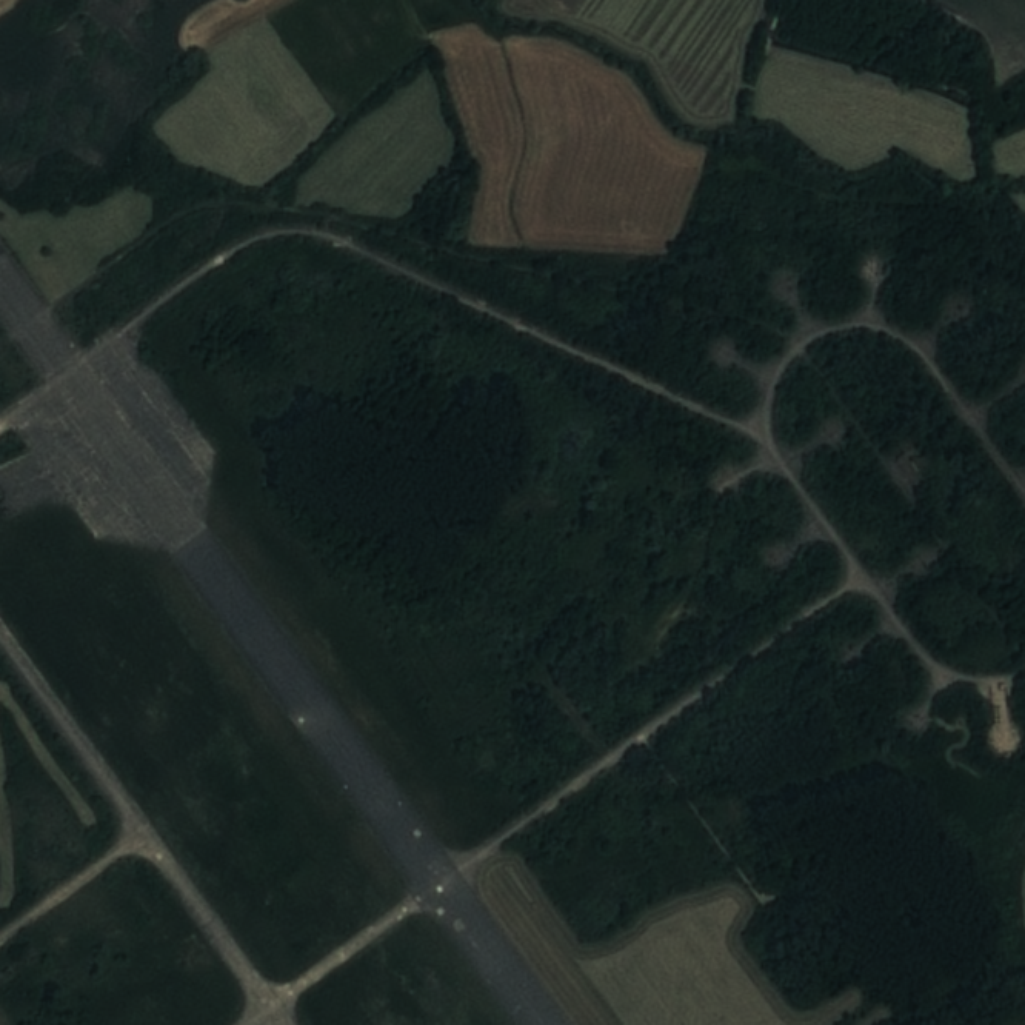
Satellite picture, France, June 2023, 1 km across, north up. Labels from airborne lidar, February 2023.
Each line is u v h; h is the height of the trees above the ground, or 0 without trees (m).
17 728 0
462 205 13
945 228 10
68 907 0
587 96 0
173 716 0
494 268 12
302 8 0
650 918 0
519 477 32
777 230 7
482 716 0
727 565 8
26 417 0
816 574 17
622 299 16
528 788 10
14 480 0
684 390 6
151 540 0
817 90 0
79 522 0
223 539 0
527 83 0
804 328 0
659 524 17
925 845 37
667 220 0
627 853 0
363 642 0
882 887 38
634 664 0
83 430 0
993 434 6
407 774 0
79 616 0
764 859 6
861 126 0
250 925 0
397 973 0
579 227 0
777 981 23
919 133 0
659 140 0
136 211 0
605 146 0
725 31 0
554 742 20
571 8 0
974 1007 37
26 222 0
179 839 0
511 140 0
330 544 8
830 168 7
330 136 7
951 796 0
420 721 0
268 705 0
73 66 6
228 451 0
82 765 0
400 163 0
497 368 6
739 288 6
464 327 8
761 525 7
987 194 8
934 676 0
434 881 0
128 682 0
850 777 0
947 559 11
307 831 0
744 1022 0
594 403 22
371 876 0
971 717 7
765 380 0
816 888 32
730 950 0
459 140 6
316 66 0
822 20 26
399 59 0
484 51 0
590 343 6
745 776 31
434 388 20
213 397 0
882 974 34
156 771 0
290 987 0
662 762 11
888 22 8
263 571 0
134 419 0
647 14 0
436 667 0
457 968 0
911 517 10
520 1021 0
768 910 6
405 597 7
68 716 0
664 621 0
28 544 0
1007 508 8
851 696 14
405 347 6
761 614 15
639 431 20
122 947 0
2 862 0
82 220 0
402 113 0
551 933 0
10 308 0
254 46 0
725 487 0
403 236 10
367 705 0
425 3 0
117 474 0
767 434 0
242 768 0
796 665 14
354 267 6
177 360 0
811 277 9
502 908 0
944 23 23
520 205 0
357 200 0
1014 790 0
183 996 0
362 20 0
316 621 0
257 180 0
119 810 0
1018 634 13
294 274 6
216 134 0
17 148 7
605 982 0
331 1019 0
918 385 32
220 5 0
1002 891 0
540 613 6
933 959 42
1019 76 0
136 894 0
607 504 6
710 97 0
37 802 0
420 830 0
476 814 0
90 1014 0
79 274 0
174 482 0
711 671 11
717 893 0
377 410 21
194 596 0
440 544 36
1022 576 6
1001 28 0
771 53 0
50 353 0
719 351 0
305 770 0
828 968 14
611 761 0
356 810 0
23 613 0
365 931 0
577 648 21
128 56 6
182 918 0
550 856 11
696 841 0
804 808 35
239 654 0
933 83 16
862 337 13
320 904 0
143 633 0
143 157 6
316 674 0
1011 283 10
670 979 0
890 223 13
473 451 38
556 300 6
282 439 31
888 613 0
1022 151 0
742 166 0
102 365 0
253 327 11
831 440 0
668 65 0
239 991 0
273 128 0
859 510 11
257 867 0
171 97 6
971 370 33
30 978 0
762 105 0
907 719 0
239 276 0
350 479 37
